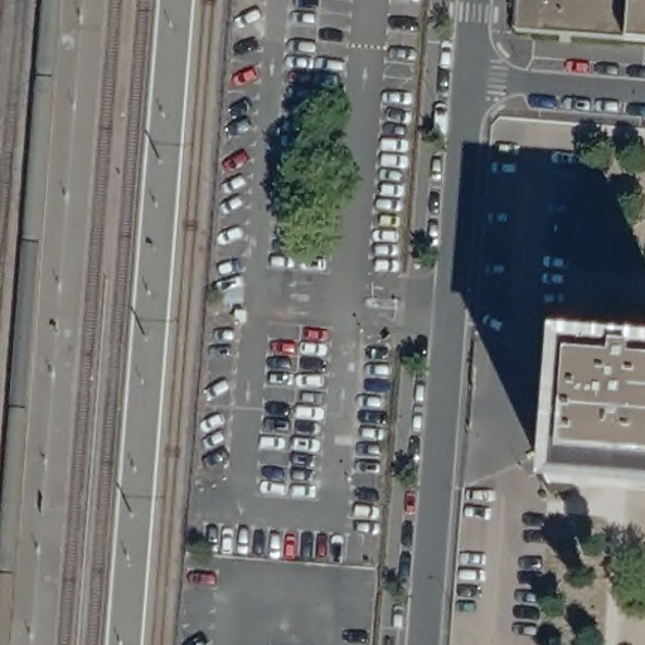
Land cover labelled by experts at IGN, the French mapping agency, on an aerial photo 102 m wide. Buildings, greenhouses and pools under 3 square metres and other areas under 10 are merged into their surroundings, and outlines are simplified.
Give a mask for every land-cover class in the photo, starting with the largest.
<instances>
[{"label":"impervious surface","instance_id":"1","mask_svg":"<svg viewBox=\"0 0 645 645\"><path fill-rule=\"evenodd\" d=\"M199 0H154L146 131L141 154L131 315L116 464V481H123V476H128L136 484L128 494L113 499L111 564L103 622L106 645H146ZM517 0H436L433 23L443 25L451 20V38L441 40L443 58L433 81V88L443 91V103L431 101L426 106V118L436 121L441 134H448V166H433L436 191H431L426 199L431 212L428 219L418 227V232H426L431 237V244L441 247V265L431 267L428 275L418 272L416 277L401 280L396 272L401 270V262H393V254H401L398 247H393V242L398 239L403 227V202H398V197H406L403 176L408 169V141L396 139L403 123H413V96H408L406 91V76L411 68H416V55L411 53L408 28L416 25L421 0H234V30L222 38L219 50L217 123L212 146V186L204 242V290L199 305V333L189 413V461L181 509L174 640L169 645H370V572L378 569L375 564H370V557L378 552L380 534V509H375L373 504L378 499L375 474H383V469L375 466V459L383 454L380 448H375V441L385 438V431L370 428L385 421L383 398H378V393L385 391L383 378L391 375V368L383 365L385 348H398V358L423 353V358L431 360V375L411 378L406 385H398V413L393 423L398 431L396 443L401 448L388 469L398 474L411 461L423 464V484L418 499L421 511L418 517L403 522L401 529L403 544L398 567L380 574V579L385 582L413 587L411 625H403V617H396V635L385 637L383 645H534V637L542 627L539 612L542 600L557 590V579L552 572H537V562L542 557H537V552L544 544L542 527L549 522V517L564 511H587L590 517L605 519L610 524L605 532V559H602L605 567L615 562L620 552H627L632 547L645 549V491L590 489L587 481H582L577 489V494L567 501L549 499L544 496L547 481L542 474H537V418L542 416V411L537 388L542 373L544 323L579 320L645 328V207L635 224H627L622 217L620 197L637 191L640 181L630 174H620L622 166L617 159L610 161L607 171H602L582 164L579 156L600 141L630 146L637 139L645 141V53L587 50L574 48L572 43H559L557 35L517 33ZM328 78H333L335 83L343 81V91L350 98L353 123L350 131L343 134V141L355 156V169L363 174V191L348 212L345 247L330 262L320 260L317 265H307L285 257L280 164L300 134L305 116L302 101L317 96ZM191 544H212L214 562L207 569L194 567L189 552ZM602 630L605 645H645V617L625 615L615 600L605 605V620L597 625Z\"/></svg>","mask_w":645,"mask_h":645},{"label":"pervious surface","instance_id":"2","mask_svg":"<svg viewBox=\"0 0 645 645\"><path fill-rule=\"evenodd\" d=\"M154 0H0V645H106L103 622L111 564L113 499L128 494L136 484L128 476H123V481H116V464L131 315L141 154L146 131ZM234 0H199L146 645H169L174 640L181 509L189 461V413L199 333V305L204 290V242L212 186V146L217 123L219 50L222 38L234 30Z\"/></svg>","mask_w":645,"mask_h":645},{"label":"herbaceous vegetation","instance_id":"3","mask_svg":"<svg viewBox=\"0 0 645 645\"><path fill-rule=\"evenodd\" d=\"M436 0H421L416 25L408 28L411 53L416 55V68H411L406 76V91L408 96H413V123H403L396 139L408 141V169L403 176L406 197H398V202H403V227L398 239L393 242V247H398L401 254H393V262H401V270L396 272L401 280L416 277L418 272L428 275L431 267H423L413 257L411 242L418 232V227L428 219L431 212L426 199L431 191H436L433 166H448V134H441L436 121L426 118V106L431 101L443 103V91L433 88V81L443 58L441 40L451 38V20L443 25L433 23ZM574 48L587 50L645 53V43L622 40L620 33L612 40H590L579 35L572 38V43ZM383 365L391 368V375L383 378L385 391L378 393V398H383L385 421L370 428L385 431V438L375 441V448H380L383 454L375 459V466L383 469V474H375L378 499L373 504L375 509H380V534L378 552L370 557V564H375L378 569L370 572V645H383L385 637L396 635V617H403V625H411L413 587L385 582L380 579V574L398 567L403 544L401 529L403 522L418 517L421 511L418 499L423 484V464L411 461L398 474L388 469L401 448L396 443L398 431L393 423L398 413V385H406L411 378L431 375V360L423 358V353L398 358V348H385ZM610 524L605 519L590 517L587 511H564L549 517V522L542 527L544 544L537 552V557H542L537 562V572H552L557 579V590L564 595V600L572 602L567 617L539 612L542 627L534 637V645H572L574 630H582L595 622L597 625L605 620V605L615 600L612 582L605 577V567L602 559V557H597V554H590V552H587V547L582 544V542L587 539V537H590V532H592V534H602V532H605ZM579 564L592 567V585H569L567 569Z\"/></svg>","mask_w":645,"mask_h":645},{"label":"building","instance_id":"4","mask_svg":"<svg viewBox=\"0 0 645 645\"><path fill-rule=\"evenodd\" d=\"M517 33L557 35L559 43H572V38L579 35L590 40H612L620 33L622 40L645 43V0H517ZM542 411V416L537 418V474H542L547 481L577 489L582 481H587L590 489L645 491V328L579 320L544 323L542 373L537 388Z\"/></svg>","mask_w":645,"mask_h":645},{"label":"deciduous trees","instance_id":"5","mask_svg":"<svg viewBox=\"0 0 645 645\"><path fill-rule=\"evenodd\" d=\"M305 116L300 134L280 164L285 257L307 265H317L320 260L330 262L345 247L348 212L363 191V174L355 169V156L343 141V134L350 131L353 123L350 98L343 91V81L335 83L333 78H328L317 96L302 101ZM617 159L622 166L620 174H630L640 181L637 191L620 197L622 217L627 224H635L645 207V141L637 139L630 146L600 141L579 156L582 164L602 171H607L610 161ZM413 257L423 267H431L441 265V247L431 244V237L426 232H418L411 242ZM582 544L587 547V552H590V554H597V557H602V559H605V532H602V534H592V532H590V537H587V539L582 542ZM189 552L194 567L207 569L214 562L212 544H191ZM605 577L612 582L615 600L625 615L645 617V549L632 547L627 552H620L615 562L605 567ZM569 585H592V567L579 564L567 569ZM572 602L564 600V595L557 590L542 600L539 612L567 617ZM572 645H605L602 630L597 625L595 622L582 630H574Z\"/></svg>","mask_w":645,"mask_h":645},{"label":"brushwood","instance_id":"6","mask_svg":"<svg viewBox=\"0 0 645 645\"><path fill-rule=\"evenodd\" d=\"M577 494V489L547 481L544 496L549 499L567 501Z\"/></svg>","mask_w":645,"mask_h":645}]
</instances>
